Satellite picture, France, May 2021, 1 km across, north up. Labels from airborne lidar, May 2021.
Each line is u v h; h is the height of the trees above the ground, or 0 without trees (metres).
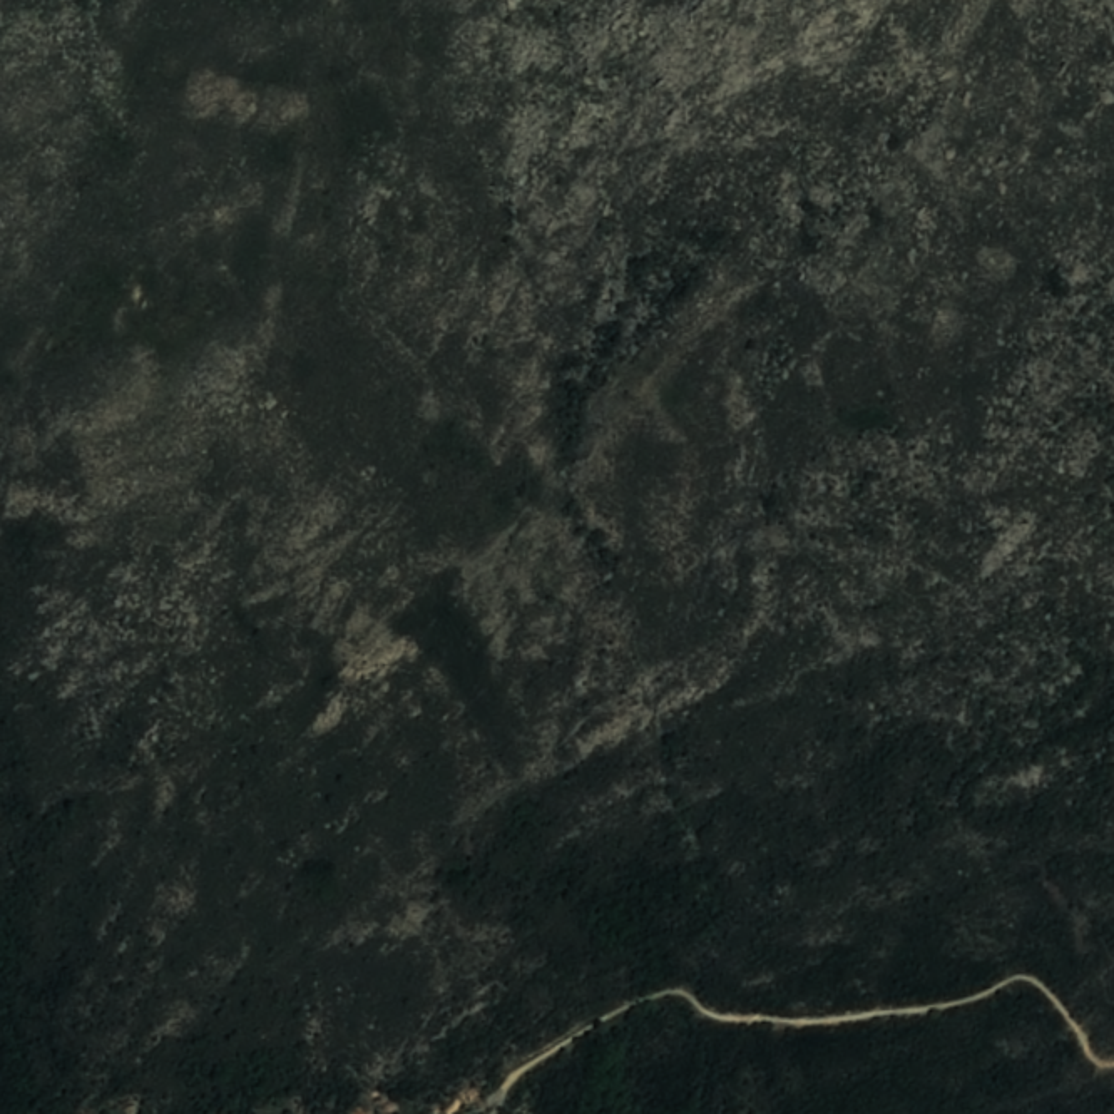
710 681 0
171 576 0
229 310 0
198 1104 8
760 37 0
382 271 0
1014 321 0
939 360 0
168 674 7
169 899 0
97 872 6
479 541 0
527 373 0
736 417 0
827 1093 5
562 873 13
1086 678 7
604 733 0
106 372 0
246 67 0
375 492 0
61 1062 7
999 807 7
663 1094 8
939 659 6
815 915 0
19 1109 10
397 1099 12
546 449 0
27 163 0
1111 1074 0
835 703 7
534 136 0
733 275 0
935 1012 9
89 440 0
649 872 9
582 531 12
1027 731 7
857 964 6
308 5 0
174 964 7
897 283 0
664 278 6
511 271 0
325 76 0
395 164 0
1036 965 8
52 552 0
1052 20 0
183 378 0
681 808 12
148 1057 8
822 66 0
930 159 0
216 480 0
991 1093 7
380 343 0
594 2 0
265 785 5
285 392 0
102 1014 6
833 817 10
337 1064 6
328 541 0
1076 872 7
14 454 0
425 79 0
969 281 0
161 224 0
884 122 0
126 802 0
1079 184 0
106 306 0
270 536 0
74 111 0
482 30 0
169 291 0
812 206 11
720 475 0
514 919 8
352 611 0
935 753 8
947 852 5
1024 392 6
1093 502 7
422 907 0
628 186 0
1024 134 0
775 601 0
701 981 8
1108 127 0
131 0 0
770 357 6
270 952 8
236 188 0
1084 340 5
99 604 0
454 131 0
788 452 0
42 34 0
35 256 0
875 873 8
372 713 0
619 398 0
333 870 10
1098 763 8
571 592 0
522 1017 6
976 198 0
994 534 6
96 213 0
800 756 6
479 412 0
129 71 0
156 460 0
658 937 10
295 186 0
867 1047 6
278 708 6
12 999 9
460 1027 9
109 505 0
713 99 0
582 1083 9
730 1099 6
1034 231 0
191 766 0
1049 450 6
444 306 0
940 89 0
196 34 0
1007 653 5
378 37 0
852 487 7
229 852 8
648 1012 10
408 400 0
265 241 0
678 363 0
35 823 6
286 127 0
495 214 0
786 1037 10
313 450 0
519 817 9
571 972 7
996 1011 7
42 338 0
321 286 0
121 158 0
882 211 0
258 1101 7
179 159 0
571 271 0
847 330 0
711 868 11
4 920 6
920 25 0
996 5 0
